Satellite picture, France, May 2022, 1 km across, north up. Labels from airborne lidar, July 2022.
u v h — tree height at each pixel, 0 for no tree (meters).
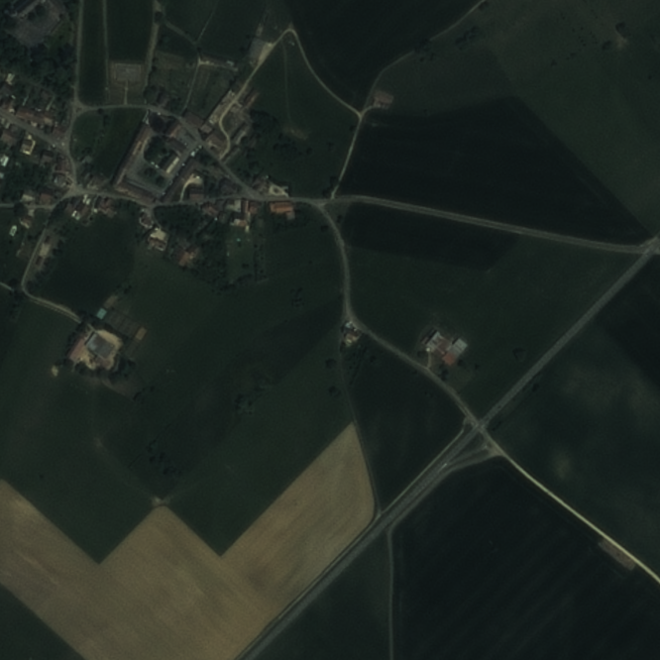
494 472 0
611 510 0
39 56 25
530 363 0
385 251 0
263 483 0
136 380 0
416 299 0
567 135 0
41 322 0
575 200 0
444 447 0
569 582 0
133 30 0
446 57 0
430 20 0
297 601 0
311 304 0
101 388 0
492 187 0
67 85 17
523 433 0
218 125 0
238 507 0
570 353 0
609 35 0
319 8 0
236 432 0
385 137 0
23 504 0
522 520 0
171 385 0
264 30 0
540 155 0
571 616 0
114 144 0
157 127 25
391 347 0
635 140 0
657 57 0
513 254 0
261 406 0
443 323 0
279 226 7
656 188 0
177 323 0
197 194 0
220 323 0
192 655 0
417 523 0
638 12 0
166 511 0
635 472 0
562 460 0
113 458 0
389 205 0
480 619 0
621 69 0
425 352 9
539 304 0
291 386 0
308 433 0
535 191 0
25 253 0
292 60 0
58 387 0
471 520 0
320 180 0
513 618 0
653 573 0
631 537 0
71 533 0
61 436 0
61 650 0
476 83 0
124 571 0
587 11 0
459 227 0
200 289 0
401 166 0
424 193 0
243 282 12
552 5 0
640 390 0
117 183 0
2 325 0
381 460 0
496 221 0
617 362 0
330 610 0
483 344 0
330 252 0
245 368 0
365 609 0
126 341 9
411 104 0
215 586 0
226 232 6
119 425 0
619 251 0
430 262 0
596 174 0
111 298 0
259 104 0
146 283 0
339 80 0
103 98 0
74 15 15
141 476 0
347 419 0
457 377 0
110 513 0
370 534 0
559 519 0
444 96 0
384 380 0
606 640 0
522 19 0
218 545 0
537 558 0
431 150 0
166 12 0
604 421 0
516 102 0
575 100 0
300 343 0
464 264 0
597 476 0
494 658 0
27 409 0
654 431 0
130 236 0
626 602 0
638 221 0
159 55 0
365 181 0
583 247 0
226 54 0
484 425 0
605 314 0
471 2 0
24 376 0
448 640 0
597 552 0
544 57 0
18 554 0
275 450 0
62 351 0
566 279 0
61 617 0
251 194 0
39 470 0
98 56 0
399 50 0
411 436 0
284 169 0
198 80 0
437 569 0
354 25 0
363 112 0
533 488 0
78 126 0
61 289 0
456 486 0
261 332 0
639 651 0
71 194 0
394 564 0
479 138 0
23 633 0
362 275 0
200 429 0
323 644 0
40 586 0
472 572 0
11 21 21
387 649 0
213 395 0
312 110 0
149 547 0
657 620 0
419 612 0
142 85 0
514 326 0
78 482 0
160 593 0
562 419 0
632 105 0
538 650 0
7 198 9
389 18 0
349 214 0
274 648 0
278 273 0
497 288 0
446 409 0
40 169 6
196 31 0
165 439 0
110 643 0
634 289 0
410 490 0
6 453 0
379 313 0
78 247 0
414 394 0
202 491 0
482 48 0
